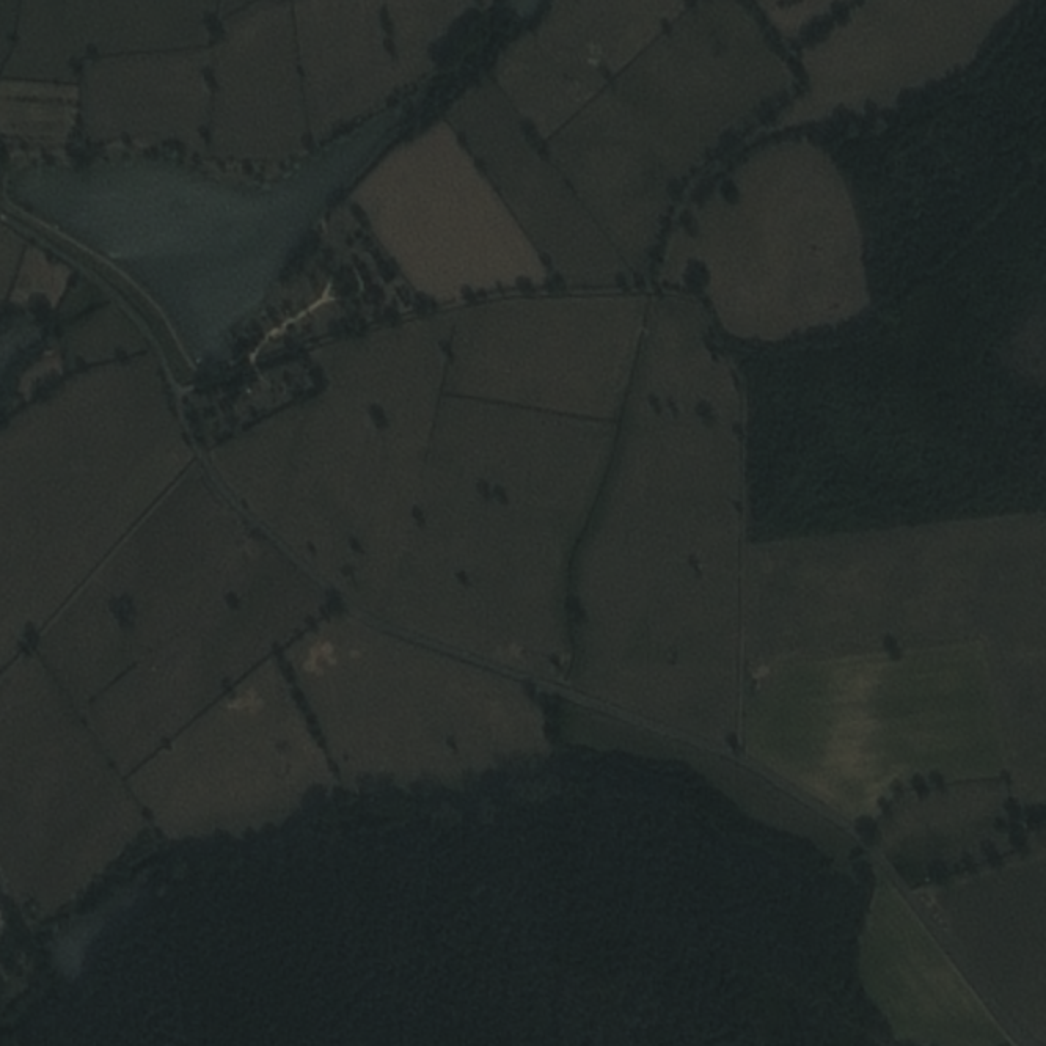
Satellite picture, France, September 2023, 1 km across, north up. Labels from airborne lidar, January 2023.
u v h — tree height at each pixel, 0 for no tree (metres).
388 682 0
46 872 0
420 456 0
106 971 21
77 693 0
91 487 0
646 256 0
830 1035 16
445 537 0
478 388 0
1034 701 0
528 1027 13
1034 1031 0
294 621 0
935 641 0
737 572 0
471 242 0
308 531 0
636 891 24
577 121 0
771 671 0
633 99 0
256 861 17
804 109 0
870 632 0
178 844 0
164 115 0
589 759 6
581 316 0
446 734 0
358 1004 16
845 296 0
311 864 18
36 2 0
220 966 18
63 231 0
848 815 0
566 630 0
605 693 0
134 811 0
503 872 21
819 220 0
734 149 16
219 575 0
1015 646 0
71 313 0
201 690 0
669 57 0
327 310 0
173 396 9
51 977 15
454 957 17
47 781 0
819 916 16
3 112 0
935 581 0
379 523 0
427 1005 24
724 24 0
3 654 0
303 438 0
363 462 0
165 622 0
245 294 0
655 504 0
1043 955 0
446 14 0
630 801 24
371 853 20
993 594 0
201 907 17
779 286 0
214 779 0
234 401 9
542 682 0
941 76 0
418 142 0
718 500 0
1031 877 0
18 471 0
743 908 25
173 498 0
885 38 0
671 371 0
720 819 6
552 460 0
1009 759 0
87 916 9
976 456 8
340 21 0
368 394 0
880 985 0
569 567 0
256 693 0
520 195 0
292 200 0
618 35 0
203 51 0
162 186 0
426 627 0
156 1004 16
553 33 0
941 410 9
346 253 0
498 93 0
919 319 13
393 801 26
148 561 0
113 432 0
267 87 0
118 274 0
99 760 0
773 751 0
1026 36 10
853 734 0
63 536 0
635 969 14
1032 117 12
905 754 0
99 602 0
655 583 0
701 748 0
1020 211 11
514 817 21
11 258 0
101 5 0
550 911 20
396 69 0
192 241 0
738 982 13
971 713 0
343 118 0
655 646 0
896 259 8
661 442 0
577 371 0
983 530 0
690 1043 14
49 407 0
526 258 0
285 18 0
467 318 0
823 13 0
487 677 0
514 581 0
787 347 8
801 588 0
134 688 0
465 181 0
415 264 0
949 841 0
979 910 0
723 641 0
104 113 0
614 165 0
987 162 7
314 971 25
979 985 0
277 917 21
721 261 0
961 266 10
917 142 7
